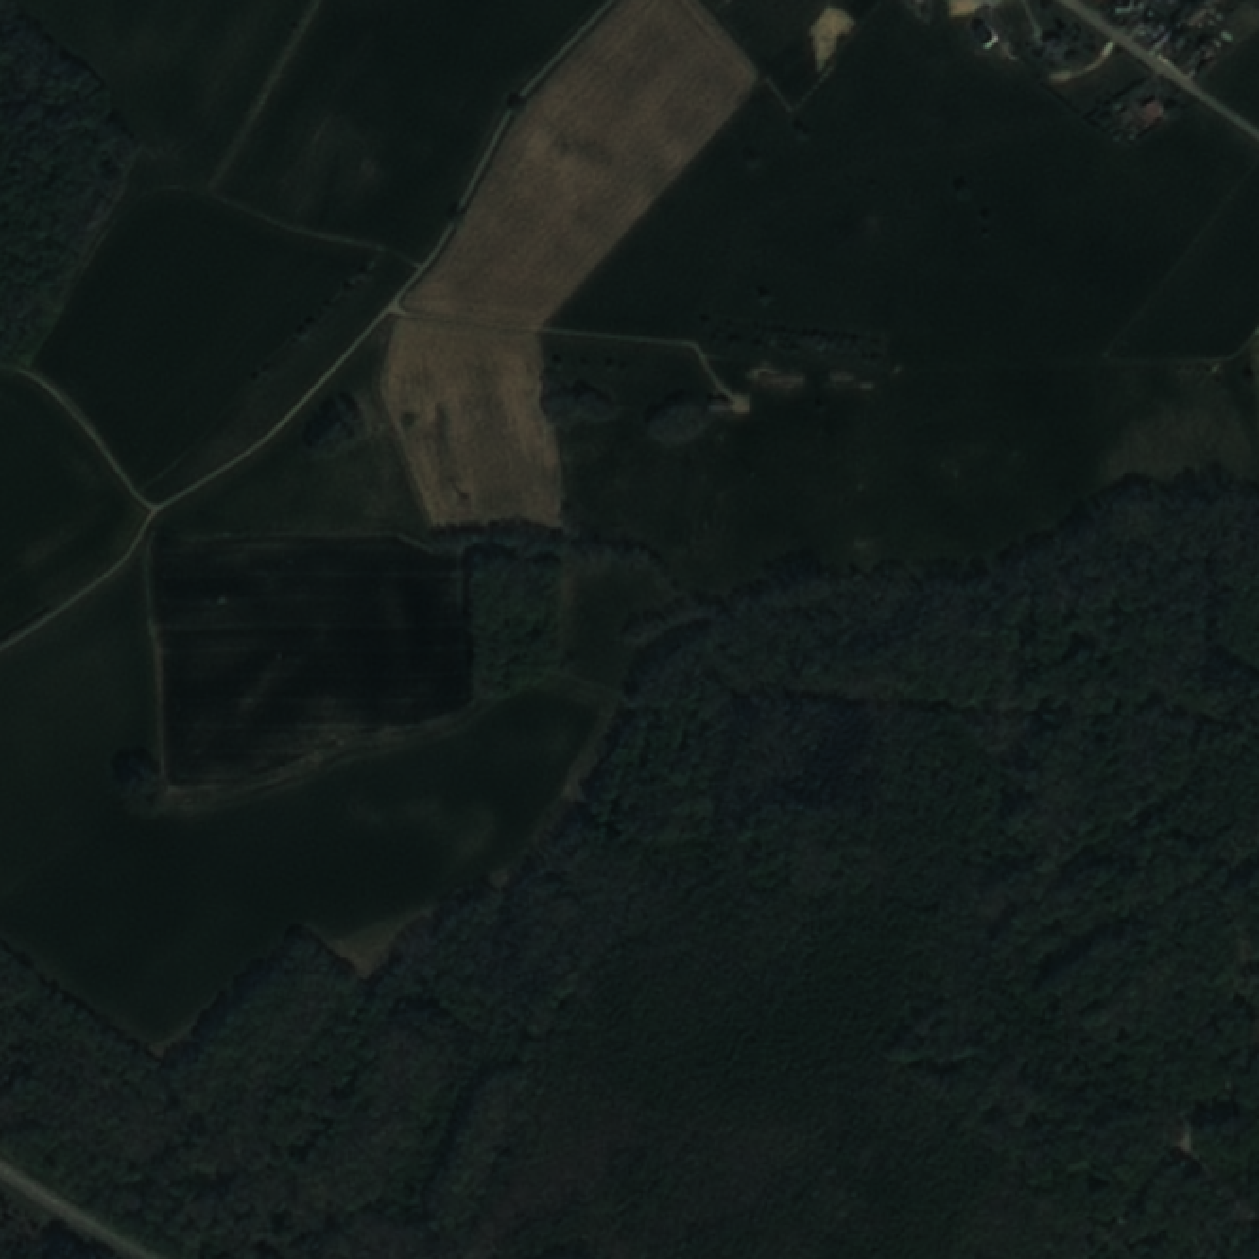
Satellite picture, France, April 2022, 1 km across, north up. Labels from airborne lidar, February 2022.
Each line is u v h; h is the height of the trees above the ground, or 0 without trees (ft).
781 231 0
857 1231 44
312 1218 73
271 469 0
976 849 39
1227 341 0
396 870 0
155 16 0
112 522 0
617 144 0
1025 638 41
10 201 87
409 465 0
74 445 0
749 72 0
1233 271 0
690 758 93
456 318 0
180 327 0
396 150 0
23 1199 0
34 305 92
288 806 0
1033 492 0
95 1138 74
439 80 0
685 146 0
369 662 0
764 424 0
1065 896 86
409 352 0
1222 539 81
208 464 0
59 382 0
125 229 0
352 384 0
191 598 0
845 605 82
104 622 0
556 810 0
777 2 0
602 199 0
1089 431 0
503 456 0
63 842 0
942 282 0
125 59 0
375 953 0
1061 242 0
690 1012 45
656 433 46
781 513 0
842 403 0
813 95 0
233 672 0
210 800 0
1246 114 0
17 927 0
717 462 0
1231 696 58
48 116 58
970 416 0
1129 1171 94
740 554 0
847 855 83
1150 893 85
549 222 0
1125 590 85
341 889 0
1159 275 0
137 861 0
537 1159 47
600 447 0
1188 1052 89
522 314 0
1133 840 71
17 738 0
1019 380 0
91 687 0
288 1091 89
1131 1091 74
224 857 0
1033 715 78
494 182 0
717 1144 45
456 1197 83
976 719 88
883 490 0
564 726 0
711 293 0
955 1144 63
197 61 0
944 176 0
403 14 0
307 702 0
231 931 0
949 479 0
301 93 0
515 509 0
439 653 0
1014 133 0
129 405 0
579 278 0
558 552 44
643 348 0
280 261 0
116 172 92
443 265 0
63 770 0
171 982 0
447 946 79
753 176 0
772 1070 49
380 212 0
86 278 0
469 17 0
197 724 0
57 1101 78
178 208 0
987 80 0
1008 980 71
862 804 87
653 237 0
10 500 0
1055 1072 53
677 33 0
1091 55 0
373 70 0
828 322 0
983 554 0
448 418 0
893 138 0
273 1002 105
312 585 0
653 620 49
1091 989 81
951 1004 76
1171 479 0
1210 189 0
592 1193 49
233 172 0
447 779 0
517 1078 72
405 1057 108
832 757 81
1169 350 0
